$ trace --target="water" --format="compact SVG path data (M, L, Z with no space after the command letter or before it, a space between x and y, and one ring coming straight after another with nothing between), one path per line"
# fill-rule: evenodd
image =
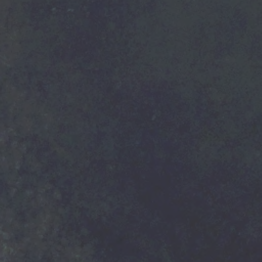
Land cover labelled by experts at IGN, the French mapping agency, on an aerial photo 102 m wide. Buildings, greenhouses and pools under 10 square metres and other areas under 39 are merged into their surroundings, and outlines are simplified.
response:
M262 0L0 0L0 262L262 262Z

